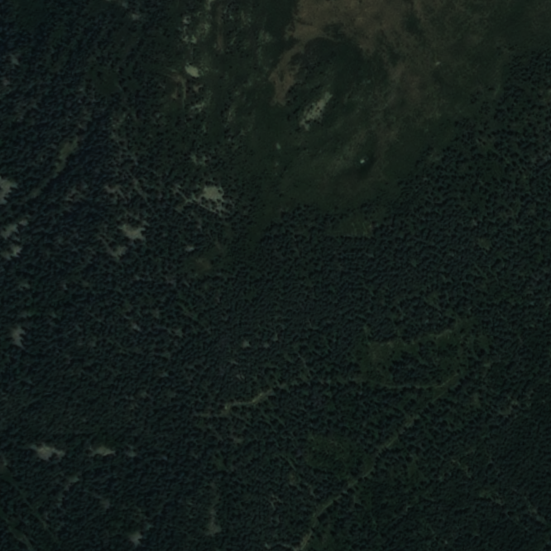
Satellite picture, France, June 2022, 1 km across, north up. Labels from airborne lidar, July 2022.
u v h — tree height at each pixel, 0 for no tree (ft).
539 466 93
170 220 66
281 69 0
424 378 76
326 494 67
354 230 0
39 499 65
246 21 0
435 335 24
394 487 26
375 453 75
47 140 59
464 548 75
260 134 0
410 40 0
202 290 66
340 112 0
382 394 83
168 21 28
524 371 18
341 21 0
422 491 63
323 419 91
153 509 57
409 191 23
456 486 59
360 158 0
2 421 56
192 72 0
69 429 65
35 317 35
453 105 0
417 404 94
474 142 73
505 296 36
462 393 74
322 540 114
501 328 112
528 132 79
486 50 0
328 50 0
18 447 31
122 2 0
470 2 0
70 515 56
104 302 54
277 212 0
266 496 69
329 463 26
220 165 44
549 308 29
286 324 67
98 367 74
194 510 31
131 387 58
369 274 72
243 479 26
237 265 52
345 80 0
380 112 0
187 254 31
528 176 25
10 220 34
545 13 0
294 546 52
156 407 62
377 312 76
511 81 42
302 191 0
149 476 79
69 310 75
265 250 32
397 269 51
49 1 61
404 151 0
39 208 51
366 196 0
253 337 63
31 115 81
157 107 24
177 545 52
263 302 78
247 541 81
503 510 67
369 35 0
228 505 50
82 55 28
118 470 105
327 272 69
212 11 0
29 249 88
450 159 54
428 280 62
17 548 42
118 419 73
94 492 64
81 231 56
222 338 63
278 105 0
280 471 78
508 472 90
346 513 71
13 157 74
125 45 23
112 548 47
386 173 0
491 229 71
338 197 0
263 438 83
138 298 59
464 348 33
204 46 0
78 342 47
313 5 0
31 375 98
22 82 38
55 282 99
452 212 70
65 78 41
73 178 45
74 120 79
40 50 28
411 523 42
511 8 0
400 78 0
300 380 84
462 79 0
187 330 59
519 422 31
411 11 0
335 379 87
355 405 50
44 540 62
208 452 74
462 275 77
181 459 65
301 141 0
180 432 55
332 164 0
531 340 36
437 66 0
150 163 26
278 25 0
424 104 0
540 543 96
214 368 81
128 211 42
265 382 74
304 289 62
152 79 23
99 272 70
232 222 58
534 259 49
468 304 95
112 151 36
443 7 0
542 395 40
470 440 87
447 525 66
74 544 52
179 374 41
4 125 86
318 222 54
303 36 0
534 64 32
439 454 76
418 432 101
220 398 63
